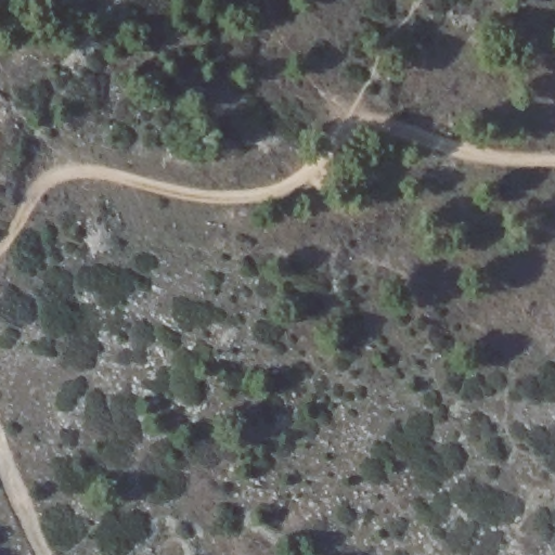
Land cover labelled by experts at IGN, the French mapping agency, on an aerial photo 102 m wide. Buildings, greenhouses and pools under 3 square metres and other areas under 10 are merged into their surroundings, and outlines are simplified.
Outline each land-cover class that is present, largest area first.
<instances>
[{"label":"herbaceous vegetation","instance_id":"1","mask_svg":"<svg viewBox=\"0 0 555 555\"><path fill-rule=\"evenodd\" d=\"M7 0H0V238L7 234L20 204L24 202L28 184L39 173L52 167H63L72 163L104 165L193 189L238 191L280 182L295 173L299 167L319 160L321 156L317 150V141L321 139V132L317 130H301L297 143H288L282 137H273L278 115L260 95V87L262 80L278 78L280 72H284L288 56L308 54L319 41H327L334 48L347 43V37L353 35V30L364 28L358 15L364 0H212V9L221 15L228 7H234L241 9L243 15L251 17L254 22L249 54L232 56V43L223 39L221 33L212 37L210 33L197 35L195 28H191L182 20V0H171L169 17H165L150 15L141 4L124 0H52L54 15L59 20L56 28L72 35V46L52 41L46 46H26L30 33L22 26L20 20H15L2 7ZM121 24L145 26L147 48L141 54L121 59L115 54L111 46H106V41L113 35H117ZM134 76H143L147 85L141 102L158 100V111H143L141 117H134L137 104L111 98V85H124ZM186 91L199 93L202 115L212 130L221 132L219 143L232 152L230 156L199 165L171 154V150H163L160 134L171 124L173 115L178 113L176 102ZM492 13H499V0H470V4H455L447 13V22L451 24L449 35L442 33L431 20L416 15H414V22H412V24H405V26H401L377 24L375 28L379 50L397 48L401 52L403 65L410 67L403 74V91L416 104V108L401 111L390 117L388 121L375 124L371 126V130L379 139L377 165H371L369 154L358 160L366 180V189L360 195V215L353 221H349L347 217L332 212L317 189L299 186L284 197L251 204H199L171 199L158 193L115 184L108 180L78 178L48 189L37 208L33 210V215L28 217L26 228L37 232L46 223H54L59 232V249L63 260L46 258L48 267H63L69 271L89 267L93 262L128 267L139 254L154 256L158 260V267L152 271V286L137 291L128 297V304L124 306V321L147 319L152 323L171 327L182 336L186 349H195L197 340L208 343L215 347V360L206 362V373L197 384V405H191L184 399H176L171 403L169 399L156 397L150 388L141 386L147 379H156L158 369L169 366L171 351L163 345H152L147 349V360L143 364H119L117 353L132 349V343L119 340L111 332H100V343L104 345V349L98 358L95 369H65L54 358L35 353L30 349V343L43 336L41 327L30 323L22 330V336L17 338L11 332V321H0V436L9 434L13 460L17 464L24 486L33 496L39 516L52 505H72L78 516L93 520L87 529L95 533L102 522V516L113 507L119 512L143 509L150 514L152 531L143 544H134V548H130L126 555H291L288 535L297 529L312 531L308 542L314 555H455L442 544V540L434 538L429 525H425L418 518L414 499L423 496L427 503H431L434 492L416 486L412 468H403L401 473L395 470L392 475H388L386 483H362L356 475L360 464L366 457H371L373 442L386 440L388 429L395 425V421H408L416 412L425 410L427 403L423 401V395L418 390H425L429 384L440 392L442 401L449 405L451 412L449 421L438 423L434 427V440L438 444L460 442L468 455L466 466L453 477L444 479L440 492L444 494L453 490L460 481L475 477L479 483L499 488L507 494H516L525 501V509L520 516L514 518V522L490 525L492 531H503L507 540V546L501 548L499 555H555V546L535 531L533 516L540 507H555V470L548 468L544 460L533 451L518 449V438L512 434L509 425L518 421L522 427L533 429L538 425L551 427L555 423V401H512L509 392L516 388V379L538 375L548 360L555 362V167H503L486 163H466L453 154L462 143L460 137L449 132L453 128V117L473 113V137L479 134L488 124H494L492 139L496 141V145L492 150L555 154V106L529 104L522 111L514 108L507 95L505 72H492L486 63L481 26H477L475 22L481 17L492 20ZM481 182L488 184V195L492 197L486 210L477 208L470 199L475 186ZM505 206L512 208L514 221L520 228H525L529 236L527 249L514 251L509 256H501L494 247V243L501 241L505 234L501 215ZM418 208H427L431 212L429 219L434 221V225H451L460 230L466 245L481 254L486 267H479L477 271V295L460 291L457 267H451L447 260L423 262L414 254L418 234L412 232L408 223L414 215H418ZM264 254L280 256V275H306L321 262H330L332 293L314 295L293 288L286 293V297L295 304L297 321L286 323V327H278L271 321H260V312L264 308L262 297H234L232 293L238 286L260 284L258 278H254L258 273L254 258ZM176 297L210 301L223 308L228 314L221 323L202 325L189 332L173 319ZM334 306H338L343 314L336 343L338 351L336 360L325 362L317 353V345L310 334L314 323L310 319L323 317ZM442 362H451V371L464 375L466 379L477 377L473 366L507 364V384L492 397L462 401L457 392H453V388L447 384ZM254 373H260L264 377L267 390V399L258 403L238 397L243 375ZM78 377H87L93 388H102L106 395H139L137 418L141 423L143 438L132 451L134 462H143V457L152 449V442L167 440L178 449L184 442L197 447L212 434L208 421L212 416L232 414V410L238 405L243 416V429L238 436L241 444L262 447L264 460L260 466H249L245 470V464L241 460H234L232 464L221 462L215 468L191 464L184 468V475L189 477V488L182 496L171 499L167 503H150L145 501V496L156 486V475L141 470H108L102 464H98L89 453L100 442V431L91 427L87 421H82L87 399L80 397L74 410L61 412L56 408V395L61 392V386ZM473 412H481L490 416L492 423H496L499 436L505 440L509 451L507 460L488 457L486 451H481L468 438ZM69 455H80V466L98 475V479L80 494L54 492V483H50L54 475L52 460ZM518 9L514 11V39L518 43L531 46L535 54H542V65L546 67L544 76L529 80V89L535 95H546L555 100V0H516ZM0 278L7 284H15L26 295L37 293V288L43 284L39 275L17 271L13 254L9 249L0 245ZM80 304H89L100 314V319L115 317V308H104L95 293L87 291L78 299ZM0 555H37L33 544L28 542V535L22 527V520L11 499L0 488ZM457 520H468V512H464L457 503H451V514L447 520H442V529H455ZM54 555H102L95 540L85 538L76 542L72 548L59 546L54 553Z\"/></svg>","mask_w":555,"mask_h":555},{"label":"brushwood","instance_id":"2","mask_svg":"<svg viewBox=\"0 0 555 555\"><path fill-rule=\"evenodd\" d=\"M13 254L17 271L39 275L43 284L37 288V293L26 295L15 284H7L0 278V321H11V332L17 338L22 336V330L30 323L41 327L43 336L30 343V349L35 353L54 358L65 369H95L98 358L104 349V345L100 343V332H111L119 340L132 343V349L117 353L119 364H143L147 360V349L152 345H163L171 351L169 366L158 369L156 379H147L141 386L150 388L156 397L169 399L171 403L176 399H184L191 405H197V384L206 373V362L215 360V347L208 343L197 340L195 349H186L182 336L171 327L152 323L147 319L124 321V306L128 304V297L137 291L152 286V271L158 267V260L154 256L139 254L128 267L93 262L89 267L69 271L63 267H48L46 258L63 260L59 249V232L54 223H46L37 232L26 228L20 232L13 247L9 249ZM87 291L95 293L104 308H115V317L100 319V314L89 304H80L78 299ZM258 273L254 278H258L260 284L238 286L232 293L234 297H262L264 308L260 312V321H271L278 327H286V323L297 321L295 304L286 297V293L293 288L314 295L332 293L330 262H321L306 275H280V256L264 254L254 258ZM228 314L223 308L210 301L176 297L173 319L189 332L202 325L221 323ZM512 401H555V362L548 360L538 375L516 379V388L509 392ZM447 384L453 388V392H457L462 401L492 397L507 384V364L473 366L477 377L466 379L464 375L451 371V362H442ZM80 397L87 399L82 421H87L91 427L100 431V442L89 453L98 464H102L108 470H141L156 475V486L145 496V501L150 503H167L171 499L182 496L189 488V477L184 475V468L191 464L215 468L221 462L232 464L234 460H241L245 464V470L249 466H260L264 460L262 447L241 444L234 451H221L212 434L197 447L184 442L178 449L167 440L152 442V449L143 457V462H134L132 451L143 438L141 423L137 418L139 395H106L102 388H93L87 377H78L61 386V392L56 395V408L61 412L74 410ZM423 395V401L427 403L425 410L416 412L408 421H395V425L388 429L386 440L373 442L371 457H366L360 464L356 475L362 483H386L388 475H392L395 470L401 473L403 468H412L416 486L434 492L431 503H427L423 496L414 499L418 518L425 525H429L434 538L442 540V544L455 555H499L501 548L507 546V540L503 531H492L490 525L514 522V518L520 516L525 509V501L516 494H507L499 488L479 483L475 477L460 481L453 490L444 494L440 492L444 479L453 477L466 466L468 455L460 442L438 444L434 440V427L438 423L449 421L451 412L449 405L442 401L440 392L429 384L425 390H418ZM451 503H457L464 512H468V520H457L455 529H442V520H447L451 514ZM468 438L481 451H486L488 457L507 460L509 451L505 440L499 436L496 423H492L490 416L481 412H473ZM512 434L518 438V449L533 451L544 460L548 468L555 470V423L551 427L538 425L533 429L522 427L518 421L509 425ZM54 475L50 483H54V492L80 494L98 479V475L80 466V455H69L52 460ZM41 531L54 553L59 546L72 548L76 542L85 538L95 540L102 555H126L130 548H134V544H143L152 531L150 514L143 509L119 512L113 507L102 516V522L95 533L87 529L93 520L78 516L72 505H52L39 516ZM535 531L555 546V507H540L533 516Z\"/></svg>","mask_w":555,"mask_h":555},{"label":"deciduous trees","instance_id":"3","mask_svg":"<svg viewBox=\"0 0 555 555\"><path fill-rule=\"evenodd\" d=\"M2 7L15 20H20L22 26L30 33L26 46H46L52 41L72 46V35L56 28L59 20L54 15L52 0H7ZM141 4L150 15L165 17H169L171 0H124ZM182 20L191 28H195L197 35L210 33L212 37L221 33L223 39L232 43V56L249 54L254 22L251 17L243 15L241 9L234 7H228L221 15L212 9V0H182ZM410 4H412V0H364L358 15L364 28L353 30V35L347 37V43L334 48L327 41H319L308 54L288 56L284 72H280L278 78L262 80L260 87V95L278 115L273 137H282L288 143H297L301 130H317L321 132V139L317 141V150L321 156L330 152L334 154V160L327 163L323 186L317 189L332 212L347 217L349 221H353L360 215V195L366 189V180L358 160L369 154L371 165H377L379 139L371 130V126L375 124L356 117L334 119L330 115L327 104L319 95V91L327 89L340 95L343 100L351 102L360 89V82L369 78L371 65L379 69V78L371 85L369 93L364 95V106L373 113H384L390 117L401 111L416 108V104L403 91V74L410 67L403 65L401 52L397 48L379 50L375 28L377 24L401 26L397 17H403L405 13H408ZM455 4H470V0H423V4H421V9L416 11V15L431 20L442 33L449 35L451 24L447 22V13ZM518 9L516 0H499V13H492V20L481 17L475 22L477 26H481L486 63L492 72H505L507 95L514 108L522 111L529 104L555 106V100L546 95H535L529 89V80L544 76L546 67L542 65V54H535L531 46L518 43L514 39V11ZM106 46H111L115 54L121 59L141 54L147 48L145 26L121 24L117 35H113L106 41ZM147 85L143 76H134L124 85H111V98L137 104L134 117H141L143 111H158V100L141 102ZM178 113L173 115L171 124L160 134L163 150H171V154L199 165L230 156L232 152L219 143L221 132L212 130L202 115L199 93L186 91L176 102ZM473 113L453 117V128L449 132L460 137L462 143H470L481 150H492L496 145V141L492 139L494 124H488L479 134L473 137ZM470 199L477 208L486 210L492 197L488 195V184L481 182L475 186ZM501 215L505 234L501 241L494 243V247L501 256H509L514 251L527 249L529 236L525 228H520L514 221L512 208L505 206ZM431 212L427 208H418V215H414L408 223L412 232L418 234L414 254L423 262L447 260L451 267H457L460 291L477 295V271L479 267H486L481 254L466 245L460 230L451 225H434V221L429 219ZM343 314L338 306H334L323 317L310 319L314 323L310 334L317 345V353L325 362L336 360L338 351L336 343ZM238 397L258 403L267 399V390L264 377L260 373H254L243 375ZM212 434L221 451H234L241 444L238 436L243 429V416L238 405L232 410V414L212 416L208 421ZM312 531L297 529L288 535L291 555H314L308 542Z\"/></svg>","mask_w":555,"mask_h":555},{"label":"pervious surface","instance_id":"4","mask_svg":"<svg viewBox=\"0 0 555 555\"><path fill-rule=\"evenodd\" d=\"M421 4H423V0H412V4H410L408 13H405L403 17H397L401 26H405V24H412V22H414V15H416V11L421 9ZM379 78V69L371 65L369 78L360 82V89L351 102L343 100L340 95L327 89L319 91V95L327 104L330 115L334 119L356 117L375 124L388 121L390 117L384 113H373L364 106V95L369 93L371 85ZM453 154L466 163H486L503 167H555V154L492 150H481L470 143H462ZM334 160V154L330 152L321 156L319 160L299 167L295 173L280 182L238 191L193 189L104 165L72 163L63 167H52L39 173L28 184L24 202L20 204L7 234L0 238V245L9 249L13 247L20 232L26 228L28 217L33 215V210L37 208L48 189L78 178L108 180L115 184L158 193L171 199L199 204H251L284 197L299 186L317 189L323 186L327 163ZM0 488L11 499L22 520V527L28 535V542L33 544L37 555H54V553L41 531L39 516L33 496L24 486L17 464L13 460L9 434L0 436Z\"/></svg>","mask_w":555,"mask_h":555}]
</instances>
